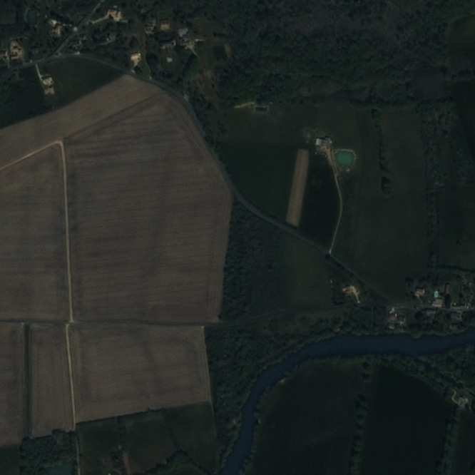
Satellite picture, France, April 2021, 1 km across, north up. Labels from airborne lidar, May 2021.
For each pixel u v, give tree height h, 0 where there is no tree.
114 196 0
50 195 0
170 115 0
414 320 0
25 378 0
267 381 0
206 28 0
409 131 0
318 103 7
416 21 20
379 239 0
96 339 0
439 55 17
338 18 12
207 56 0
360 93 9
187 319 0
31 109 0
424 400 0
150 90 0
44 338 0
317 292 0
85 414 0
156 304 0
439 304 0
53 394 0
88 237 0
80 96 0
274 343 9
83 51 6
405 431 0
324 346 0
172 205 0
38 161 0
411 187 0
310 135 0
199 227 0
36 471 12
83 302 0
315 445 0
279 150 0
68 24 10
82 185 0
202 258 0
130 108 0
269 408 0
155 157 0
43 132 0
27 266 0
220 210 0
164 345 0
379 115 17
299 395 0
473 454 0
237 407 8
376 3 11
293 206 0
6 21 0
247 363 14
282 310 7
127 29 13
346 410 0
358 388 0
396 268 0
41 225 0
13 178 0
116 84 0
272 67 23
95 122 0
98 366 0
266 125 0
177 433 0
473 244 0
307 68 20
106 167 0
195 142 0
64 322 0
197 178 0
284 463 0
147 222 0
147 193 0
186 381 0
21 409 0
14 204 0
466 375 23
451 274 10
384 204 0
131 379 0
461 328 11
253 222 11
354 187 0
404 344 0
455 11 17
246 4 13
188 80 14
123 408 0
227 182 0
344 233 0
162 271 0
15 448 0
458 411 14
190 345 0
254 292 11
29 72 0
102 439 0
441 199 0
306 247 0
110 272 0
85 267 0
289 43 22
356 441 15
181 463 18
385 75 21
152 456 0
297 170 0
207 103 30
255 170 0
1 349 0
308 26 15
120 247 0
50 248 0
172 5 14
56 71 0
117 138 0
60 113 0
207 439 0
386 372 0
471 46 0
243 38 19
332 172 0
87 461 0
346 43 24
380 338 0
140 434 0
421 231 0
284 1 7
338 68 18
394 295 0
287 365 0
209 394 0
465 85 0
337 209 0
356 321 12
